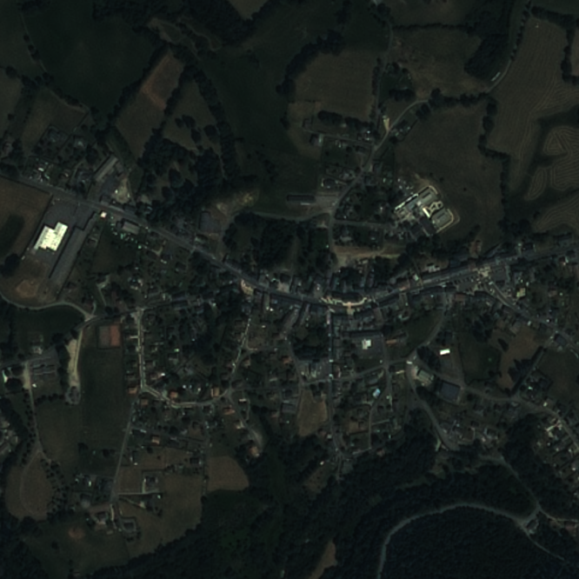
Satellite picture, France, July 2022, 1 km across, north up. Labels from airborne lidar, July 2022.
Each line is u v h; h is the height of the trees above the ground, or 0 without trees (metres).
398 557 17
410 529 10
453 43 0
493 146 0
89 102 0
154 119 0
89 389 0
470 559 16
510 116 0
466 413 6
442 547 23
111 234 0
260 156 6
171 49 10
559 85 0
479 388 0
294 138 0
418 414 16
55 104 0
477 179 0
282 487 0
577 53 0
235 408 0
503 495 9
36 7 23
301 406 0
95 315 0
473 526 9
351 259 0
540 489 8
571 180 0
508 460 23
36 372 0
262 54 0
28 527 24
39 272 0
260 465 15
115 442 0
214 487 0
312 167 0
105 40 0
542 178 0
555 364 0
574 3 0
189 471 0
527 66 0
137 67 0
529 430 18
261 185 0
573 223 0
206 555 19
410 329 0
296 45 0
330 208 0
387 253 0
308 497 6
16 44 0
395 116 0
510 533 8
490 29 8
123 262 0
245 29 19
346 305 0
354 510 36
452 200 0
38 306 0
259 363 7
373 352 0
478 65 9
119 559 0
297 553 11
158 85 0
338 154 0
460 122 0
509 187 16
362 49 0
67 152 6
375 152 0
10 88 0
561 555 10
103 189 0
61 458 0
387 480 27
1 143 7
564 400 0
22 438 14
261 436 0
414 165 0
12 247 0
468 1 0
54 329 0
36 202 0
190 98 0
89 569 0
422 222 0
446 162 0
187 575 14
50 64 0
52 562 0
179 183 22
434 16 0
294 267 0
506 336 0
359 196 11
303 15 0
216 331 23
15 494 0
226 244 16
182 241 0
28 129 0
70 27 0
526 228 19
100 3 7
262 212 0
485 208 0
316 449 15
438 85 0
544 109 0
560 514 9
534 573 17
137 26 10
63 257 0
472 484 16
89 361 0
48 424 0
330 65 0
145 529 0
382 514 20
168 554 22
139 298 0
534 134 0
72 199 0
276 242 7
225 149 18
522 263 15
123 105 16
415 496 23
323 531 20
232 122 0
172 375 13
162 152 26
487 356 0
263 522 21
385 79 0
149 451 11
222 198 0
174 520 0
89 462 0
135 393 0
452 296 0
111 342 0
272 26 0
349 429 0
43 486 0
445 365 0
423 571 19
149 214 17
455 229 0
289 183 0
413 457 25
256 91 0
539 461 0
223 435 7
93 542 0
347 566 21
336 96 0
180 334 7
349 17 16
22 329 0
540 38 0
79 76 0
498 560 9
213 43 0
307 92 0
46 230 0
